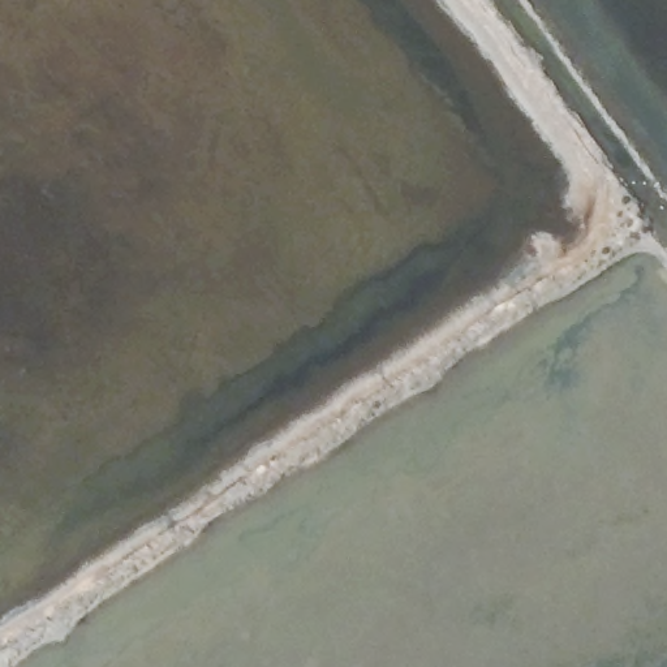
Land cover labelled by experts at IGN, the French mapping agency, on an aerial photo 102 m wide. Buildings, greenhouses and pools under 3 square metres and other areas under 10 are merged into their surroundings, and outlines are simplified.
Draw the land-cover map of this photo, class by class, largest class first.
<instances>
[{"label":"water","instance_id":"1","mask_svg":"<svg viewBox=\"0 0 667 667\"><path fill-rule=\"evenodd\" d=\"M568 190V175L560 159L539 138L532 120L518 109V104L508 96L505 83L500 81L492 63L482 57L477 44L456 26V21L440 8L438 0H0V620L10 610L42 599L68 578H73L86 563L109 552L117 542L128 539L143 524L188 503L201 487L216 482L224 469H232L240 459H245L250 448H255L263 440H271L274 435L289 427V422L323 406L336 391H341L354 378L373 373L396 352L412 347L417 339L438 328L448 315L461 310L472 297L495 289L511 268L524 263V245L534 234L547 232L563 245L576 242L578 227L568 216V208L563 203ZM498 16L513 29L518 42L539 57L545 78L555 86L563 104L581 120V125L589 130V135L610 162L615 177L625 188L623 201L638 206L644 229L654 234L659 245L667 248V201H662L649 188L641 169L633 164L620 141L610 133V128L599 120L594 107L578 91L573 78L565 73L560 60L552 55L550 44L539 36L537 26L526 18L516 0H490ZM537 8V13L547 21V26L552 29L573 65L591 83L594 94L602 99L607 112L617 120V125L636 143L638 154L646 159L651 172L667 188V0H529ZM659 258L649 253H631L617 263H610L604 271L578 284L568 294L534 307L524 320L513 323L508 331L498 334L485 347L464 352L451 367L443 370V375L427 391L409 396L378 419L362 422L344 443L331 448L323 461L307 469L294 466L279 474V479H274V485L266 492L250 495L234 503L229 511L211 518L198 532V539L190 547L177 550L143 578L130 581L122 591L104 599L96 610L81 615L63 641H52L34 649L16 667H667V281L659 276Z\"/></svg>","mask_w":667,"mask_h":667},{"label":"pervious surface","instance_id":"2","mask_svg":"<svg viewBox=\"0 0 667 667\"><path fill-rule=\"evenodd\" d=\"M440 8L456 21V26L477 44L482 57L492 63L500 81L505 83L508 96L518 104V109L532 120L539 138L560 159L568 175V190L563 203L568 208V216L578 227L576 242L563 245L547 232L534 234L524 245V263L511 268L495 289L472 297L461 310L448 315L438 328L417 339L412 347L396 352L373 373L354 378L341 391H336L323 406L289 422V427L274 435L271 440H263L255 448H250L245 459H240L232 469H224L216 482L201 487L188 503L143 524L128 539L117 542L109 552L86 563L73 578H68L42 599L10 610L0 620V667H16L34 649L52 641H63L81 615L96 610L104 599L122 591L130 581L143 578L177 550L190 547L198 539V532L211 518L229 511L234 503L250 495L266 492L274 485V479H279V474L294 466L307 469L323 461L331 448L344 443L362 422L378 419L409 396L427 391L443 375V370L451 367L464 352L485 347L498 334L508 331L513 323L524 320L534 307L568 294L578 284L604 271L610 263H617L631 253H649L659 258V276L667 281V248L659 245L654 234L644 229L638 206L623 201L625 188L615 177L610 162L589 135V130L581 125V120L563 104L555 86L545 78L539 57L518 42L513 29L498 16L490 0H438ZM526 18L537 26L539 36L550 44L552 55L560 60L565 73L573 78L578 91L594 107L599 120L610 128V133L620 141L633 164L641 169L649 188L662 201H667V188L651 172L646 159L638 154L636 143L617 125V120L607 112L602 99L594 94L591 83L573 65L552 29L547 26V21L537 13V8L529 0H516Z\"/></svg>","mask_w":667,"mask_h":667}]
</instances>
